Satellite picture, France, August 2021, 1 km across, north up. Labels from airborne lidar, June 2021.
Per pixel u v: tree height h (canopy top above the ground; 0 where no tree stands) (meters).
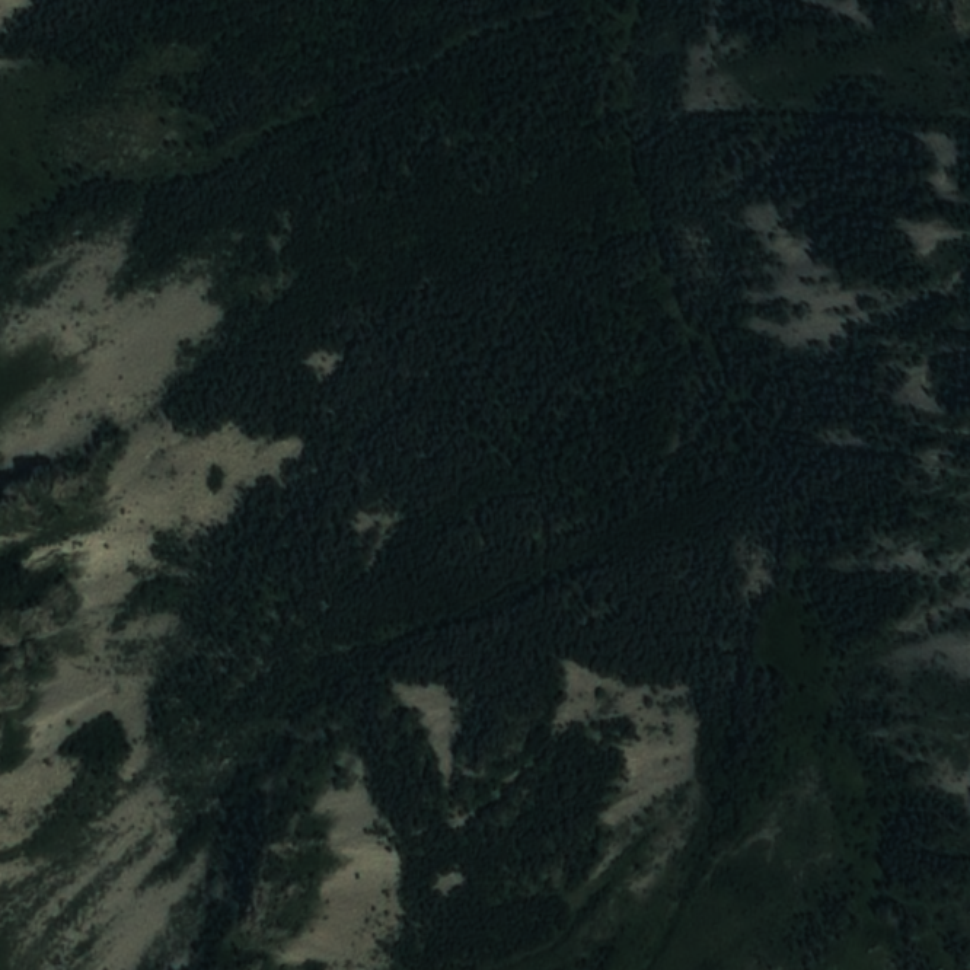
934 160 15
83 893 0
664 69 7
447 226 14
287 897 17
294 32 12
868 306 9
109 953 0
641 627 26
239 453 0
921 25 7
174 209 14
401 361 25
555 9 22
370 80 20
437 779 14
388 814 16
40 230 9
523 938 10
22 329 0
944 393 8
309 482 13
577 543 23
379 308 20
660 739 0
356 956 0
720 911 0
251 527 20
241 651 9
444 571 22
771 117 11
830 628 7
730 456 11
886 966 0
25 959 0
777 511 19
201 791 0
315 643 9
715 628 23
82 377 0
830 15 17
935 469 0
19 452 0
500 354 22
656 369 10
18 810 0
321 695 12
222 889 0
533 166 25
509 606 11
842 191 28
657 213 13
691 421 16
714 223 10
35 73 0
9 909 0
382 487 13
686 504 14
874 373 28
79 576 0
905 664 0
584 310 20
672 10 12
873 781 7
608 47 8
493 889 9
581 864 12
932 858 16
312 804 0
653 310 10
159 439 0
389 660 9
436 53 19
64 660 0
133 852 0
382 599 13
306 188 13
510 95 19
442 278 16
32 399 0
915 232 0
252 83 16
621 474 21
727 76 0
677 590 27
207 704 7
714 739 8
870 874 0
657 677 26
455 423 24
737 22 11
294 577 18
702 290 8
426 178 13
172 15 12
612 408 10
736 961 0
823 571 12
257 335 8
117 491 0
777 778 7
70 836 0
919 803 9
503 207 14
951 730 0
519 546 24
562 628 20
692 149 12
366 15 15
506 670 24
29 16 16
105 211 9
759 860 0
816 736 6
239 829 6
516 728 12
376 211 12
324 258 12
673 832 0
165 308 0
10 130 0
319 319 13
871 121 13
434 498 23
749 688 28
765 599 14
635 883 0
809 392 10
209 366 12
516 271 24
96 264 0
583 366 24
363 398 15
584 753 17
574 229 11
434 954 11
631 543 16
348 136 25
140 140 0
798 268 0
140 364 0
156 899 0
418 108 12
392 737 9
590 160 10
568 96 27
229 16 12
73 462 10
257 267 11
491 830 12
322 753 8
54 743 0
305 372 16
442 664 25
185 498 0
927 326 7
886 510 13
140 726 0
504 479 19
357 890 0
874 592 14
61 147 0
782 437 8
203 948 9
